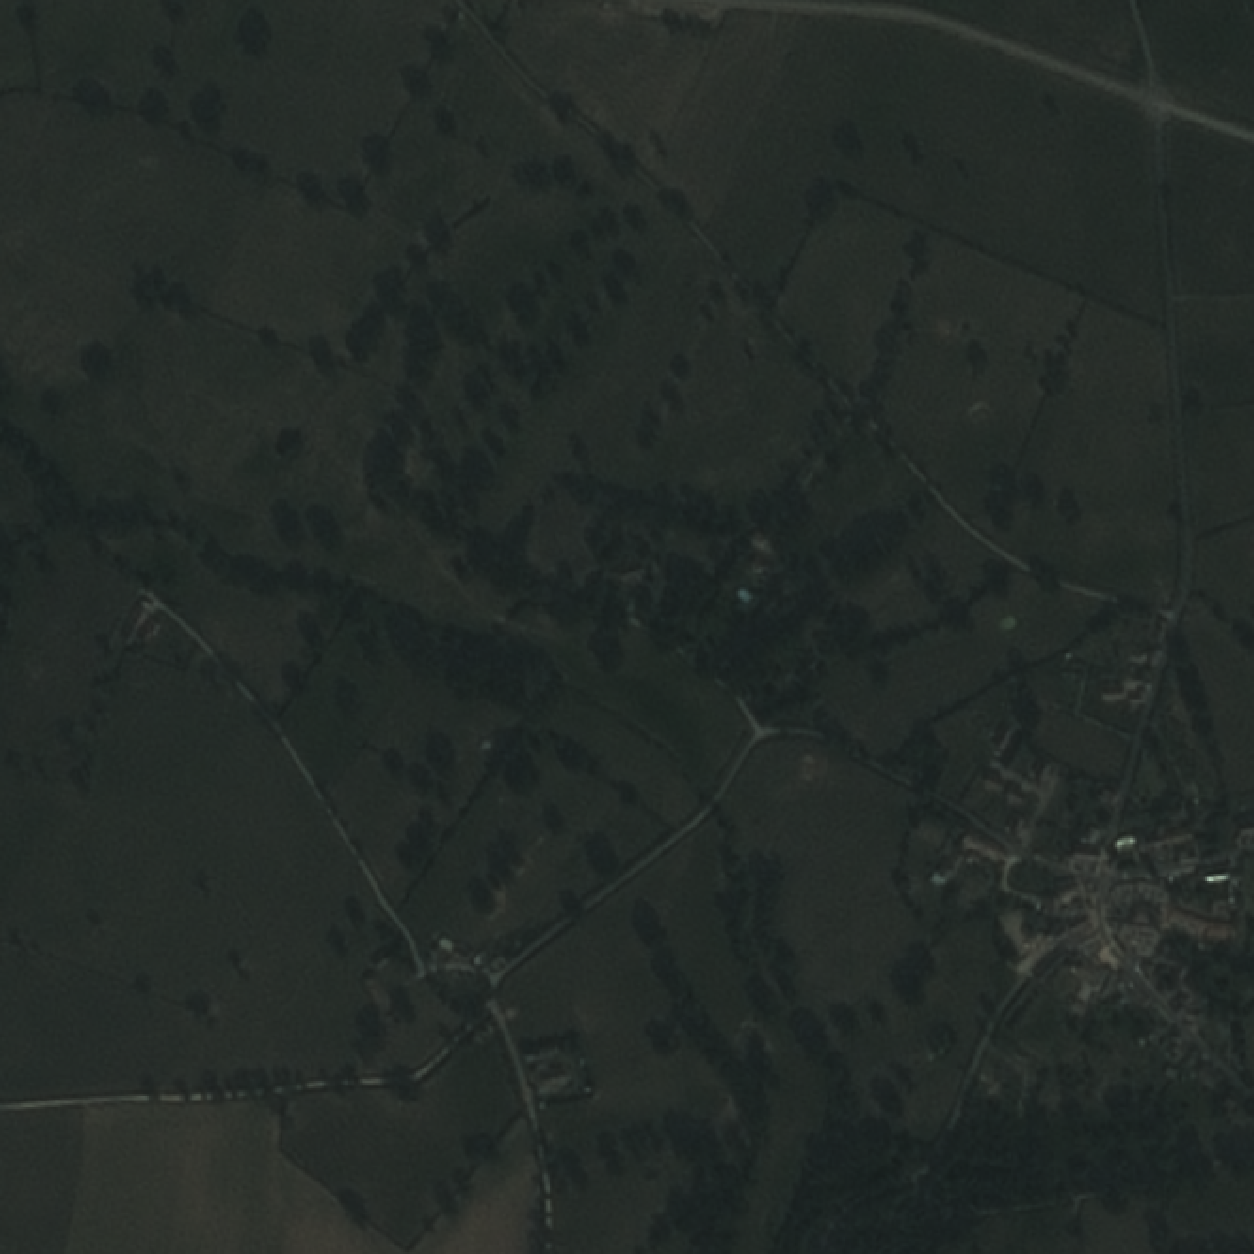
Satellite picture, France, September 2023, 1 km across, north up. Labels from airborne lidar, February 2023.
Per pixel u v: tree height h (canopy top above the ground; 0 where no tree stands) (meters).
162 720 0
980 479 0
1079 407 0
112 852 0
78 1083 0
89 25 0
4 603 16
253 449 0
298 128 0
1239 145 0
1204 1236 0
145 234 0
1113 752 0
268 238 0
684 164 0
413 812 0
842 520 0
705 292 0
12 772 14
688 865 0
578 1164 17
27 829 0
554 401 0
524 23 0
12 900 0
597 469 0
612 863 20
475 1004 14
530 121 0
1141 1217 0
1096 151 0
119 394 0
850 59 0
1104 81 0
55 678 0
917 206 0
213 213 0
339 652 0
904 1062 0
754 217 0
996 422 0
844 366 0
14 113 0
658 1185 0
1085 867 0
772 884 20
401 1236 0
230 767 0
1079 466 0
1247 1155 20
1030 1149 20
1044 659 0
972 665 0
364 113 0
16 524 0
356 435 0
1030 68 0
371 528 0
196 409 0
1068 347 12
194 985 0
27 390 0
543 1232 17
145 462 0
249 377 0
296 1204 0
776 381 0
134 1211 0
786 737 7
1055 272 0
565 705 0
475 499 22
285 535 21
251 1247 0
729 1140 16
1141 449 0
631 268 18
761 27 0
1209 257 0
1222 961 13
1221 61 0
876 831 0
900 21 0
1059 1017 0
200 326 0
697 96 0
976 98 0
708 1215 25
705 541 0
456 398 0
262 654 0
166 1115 0
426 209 0
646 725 0
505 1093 0
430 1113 0
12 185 0
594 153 0
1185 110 0
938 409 0
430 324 21
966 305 0
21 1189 0
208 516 0
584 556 0
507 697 23
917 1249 12
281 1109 17
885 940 0
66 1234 0
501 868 20
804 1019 0
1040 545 0
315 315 0
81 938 0
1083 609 0
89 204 0
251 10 0
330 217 0
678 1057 0
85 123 0
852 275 0
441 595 0
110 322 0
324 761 0
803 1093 0
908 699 0
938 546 0
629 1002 0
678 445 0
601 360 0
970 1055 0
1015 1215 15
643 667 0
